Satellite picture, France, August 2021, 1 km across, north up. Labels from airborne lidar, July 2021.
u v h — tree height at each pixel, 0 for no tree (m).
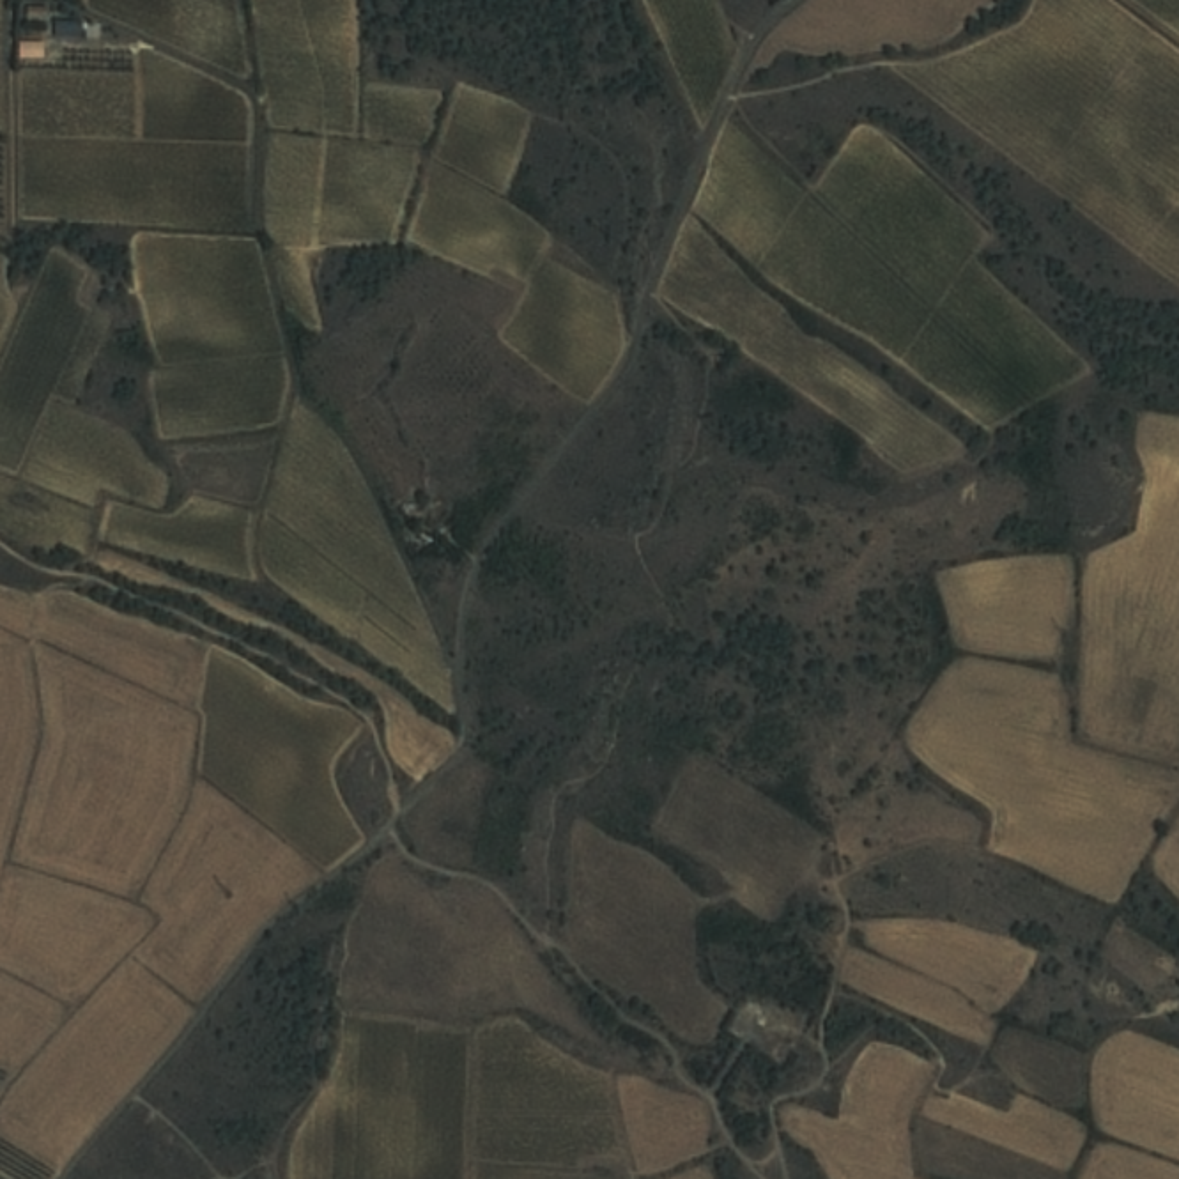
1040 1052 0
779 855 0
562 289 0
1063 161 0
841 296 0
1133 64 0
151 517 0
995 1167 0
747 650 12
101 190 0
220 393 0
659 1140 0
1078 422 11
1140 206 0
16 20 10
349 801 0
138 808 0
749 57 0
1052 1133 0
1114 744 0
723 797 0
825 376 0
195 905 0
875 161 0
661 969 0
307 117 0
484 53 8
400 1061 0
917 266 0
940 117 0
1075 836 0
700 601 0
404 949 0
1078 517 0
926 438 0
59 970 0
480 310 0
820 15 0
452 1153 0
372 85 0
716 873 0
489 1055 0
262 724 0
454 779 0
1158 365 11
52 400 0
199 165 0
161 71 0
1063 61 0
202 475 0
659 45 7
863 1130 0
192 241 0
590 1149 0
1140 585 0
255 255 0
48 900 0
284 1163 0
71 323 0
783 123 0
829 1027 7
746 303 0
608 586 0
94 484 0
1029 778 0
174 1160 0
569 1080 0
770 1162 0
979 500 0
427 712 11
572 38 11
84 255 9
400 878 0
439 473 0
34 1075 0
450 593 0
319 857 0
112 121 0
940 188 0
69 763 0
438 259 6
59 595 0
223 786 0
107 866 0
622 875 0
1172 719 0
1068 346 0
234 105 0
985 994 0
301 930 0
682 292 0
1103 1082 0
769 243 0
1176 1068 0
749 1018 0
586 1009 7
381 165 0
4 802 0
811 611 0
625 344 0
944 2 0
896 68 0
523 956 0
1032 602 0
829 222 0
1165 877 0
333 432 0
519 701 0
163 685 0
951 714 0
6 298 0
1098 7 0
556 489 0
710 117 0
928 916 0
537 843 0
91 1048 0
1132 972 0
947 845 0
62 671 0
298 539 0
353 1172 0
